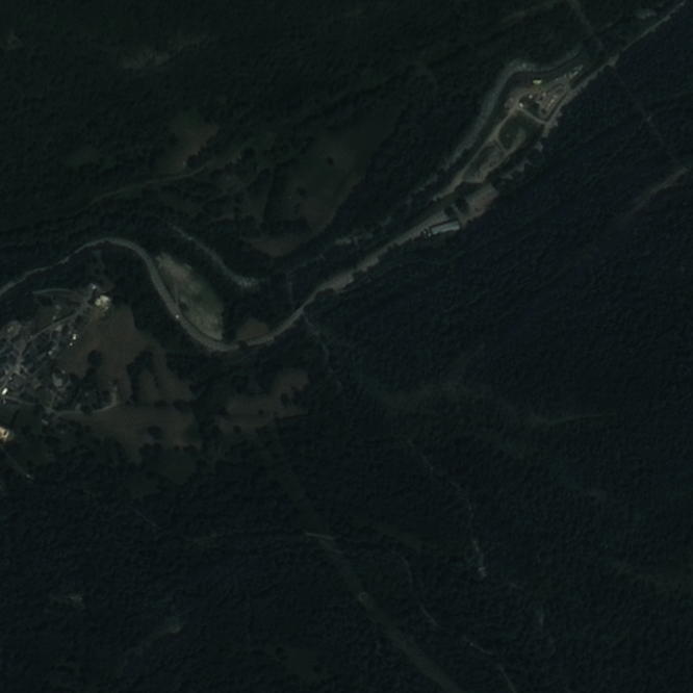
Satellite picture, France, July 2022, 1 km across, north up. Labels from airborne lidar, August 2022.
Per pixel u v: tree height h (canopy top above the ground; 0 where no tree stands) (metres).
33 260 26
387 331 20
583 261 0
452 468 30
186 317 0
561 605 22
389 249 0
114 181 27
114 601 24
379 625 12
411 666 24
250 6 17
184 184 7
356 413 29
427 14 15
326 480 19
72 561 15
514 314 7
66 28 9
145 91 19
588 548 18
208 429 18
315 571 10
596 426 15
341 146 0
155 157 20
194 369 13
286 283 24
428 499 20
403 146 17
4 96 22
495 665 19
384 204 21
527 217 20
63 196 15
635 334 18
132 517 16
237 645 11
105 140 21
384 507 26
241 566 23
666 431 7
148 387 0
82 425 10
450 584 30
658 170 15
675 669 21
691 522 17
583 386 10
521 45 18
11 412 0
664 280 14
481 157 0
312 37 16
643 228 15
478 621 22
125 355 0
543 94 0
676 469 9
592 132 17
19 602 19
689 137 8
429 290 19
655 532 13
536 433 10
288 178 20
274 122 22
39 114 24
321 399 11
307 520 0
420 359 20
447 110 15
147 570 20
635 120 16
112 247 23
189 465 0
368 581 22
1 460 13
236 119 16
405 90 20
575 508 22
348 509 22
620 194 19
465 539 20
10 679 30
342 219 18
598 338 20
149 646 0
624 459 10
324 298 16
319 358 33
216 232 18
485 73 18
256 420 0
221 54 12
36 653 16
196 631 28
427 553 9
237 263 17
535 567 19
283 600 23
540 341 12
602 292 13
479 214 0
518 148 0
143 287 15
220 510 10
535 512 12
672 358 19
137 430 0
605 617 17
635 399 15
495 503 17
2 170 19
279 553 31
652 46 22
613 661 12
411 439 10
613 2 16
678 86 12
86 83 16
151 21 17
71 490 18
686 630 8
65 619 23
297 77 16
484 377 13
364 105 23
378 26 18
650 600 10
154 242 16
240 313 12
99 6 19
